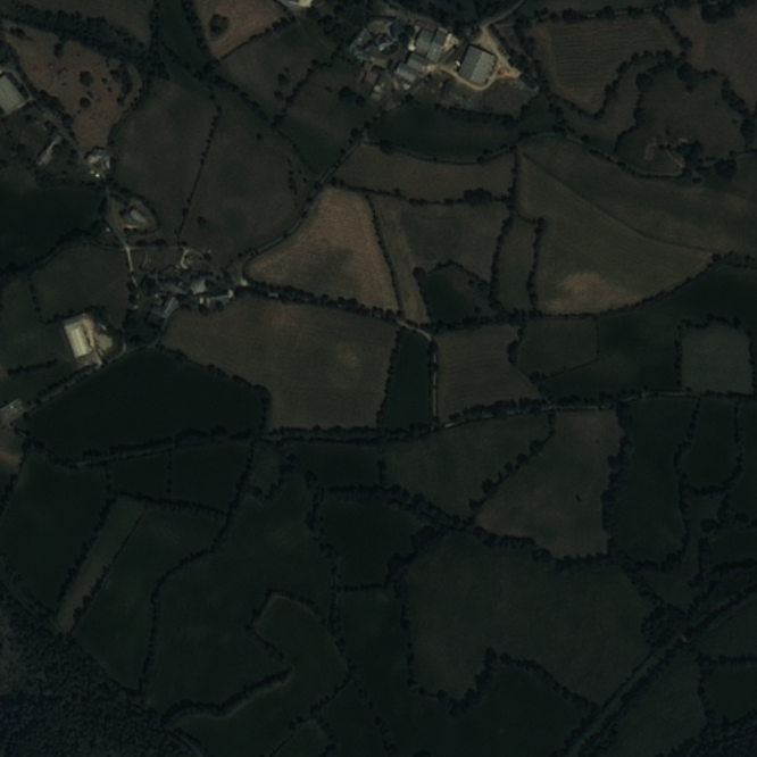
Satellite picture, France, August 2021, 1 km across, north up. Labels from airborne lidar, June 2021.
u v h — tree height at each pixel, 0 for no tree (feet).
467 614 0
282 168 0
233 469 0
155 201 0
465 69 0
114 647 0
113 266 0
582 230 0
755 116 29
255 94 0
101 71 0
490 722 0
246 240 0
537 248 25
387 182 0
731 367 0
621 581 0
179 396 0
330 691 0
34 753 57
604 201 0
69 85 0
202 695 0
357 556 0
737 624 0
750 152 20
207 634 0
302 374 0
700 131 0
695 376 0
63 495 0
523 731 0
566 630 0
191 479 0
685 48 39
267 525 0
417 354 0
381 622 0
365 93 0
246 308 0
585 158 0
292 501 0
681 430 0
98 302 0
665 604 35
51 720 55
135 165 0
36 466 0
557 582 0
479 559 0
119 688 45
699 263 0
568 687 0
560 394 0
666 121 0
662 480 0
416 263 0
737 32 0
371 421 0
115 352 0
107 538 0
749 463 0
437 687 0
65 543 0
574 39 0
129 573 0
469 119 32
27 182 0
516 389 0
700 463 0
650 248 0
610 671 0
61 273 0
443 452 0
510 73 0
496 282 39
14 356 0
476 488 0
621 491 57
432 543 84
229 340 0
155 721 49
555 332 0
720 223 0
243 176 0
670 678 0
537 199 0
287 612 0
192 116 0
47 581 0
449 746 0
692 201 0
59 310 0
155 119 0
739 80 0
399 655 0
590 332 0
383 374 0
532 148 0
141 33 0
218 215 0
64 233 0
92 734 33
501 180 0
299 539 0
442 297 0
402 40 46
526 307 0
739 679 0
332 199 0
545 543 0
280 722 0
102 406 0
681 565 59
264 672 0
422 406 0
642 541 0
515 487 0
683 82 37
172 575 25
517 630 0
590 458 0
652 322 0
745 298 0
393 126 0
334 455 0
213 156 0
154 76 35
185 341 0
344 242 0
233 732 0
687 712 0
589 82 0
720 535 62
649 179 22
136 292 43
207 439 43
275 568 0
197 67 0
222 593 0
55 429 0
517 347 36
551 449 0
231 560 0
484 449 0
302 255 0
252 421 0
